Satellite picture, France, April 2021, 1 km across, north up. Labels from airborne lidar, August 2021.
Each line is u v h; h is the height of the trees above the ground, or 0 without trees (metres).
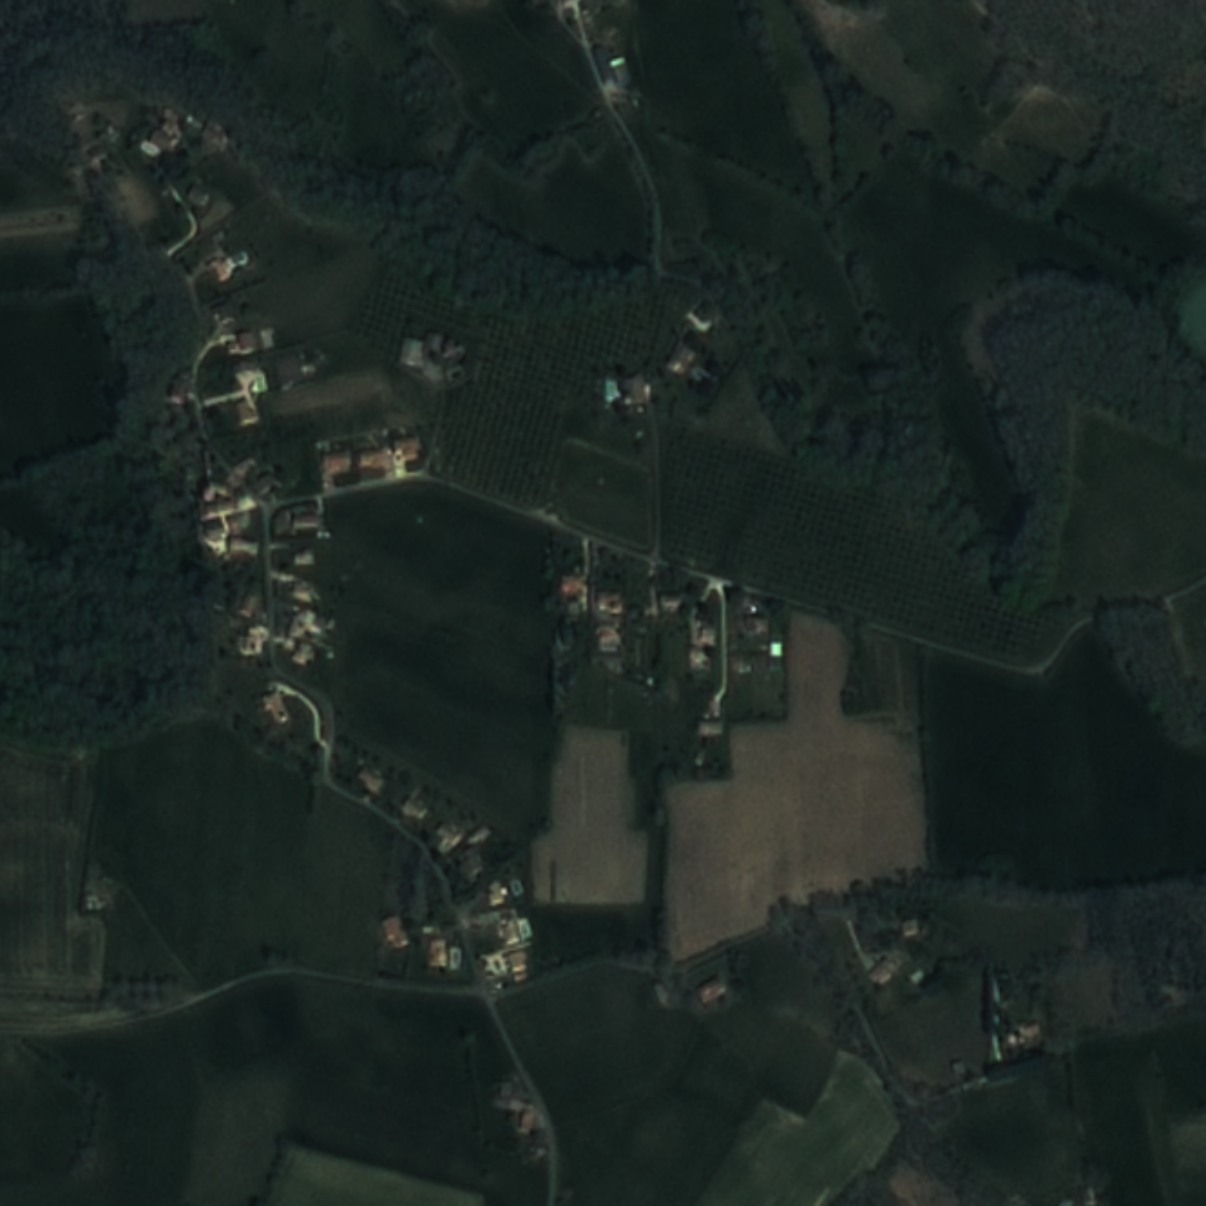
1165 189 7
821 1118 0
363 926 0
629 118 0
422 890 28
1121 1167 0
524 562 0
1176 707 19
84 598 10
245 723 10
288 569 7
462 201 6
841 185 7
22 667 27
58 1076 0
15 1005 0
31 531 0
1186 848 0
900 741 0
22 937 0
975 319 0
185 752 0
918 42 0
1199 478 0
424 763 0
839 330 0
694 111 0
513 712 0
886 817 0
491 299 16
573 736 0
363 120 0
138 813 0
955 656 0
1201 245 0
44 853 0
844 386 0
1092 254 0
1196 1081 0
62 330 0
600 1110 0
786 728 0
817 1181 0
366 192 23
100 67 21
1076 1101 6
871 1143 0
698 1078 0
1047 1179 0
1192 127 9
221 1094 0
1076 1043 16
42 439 0
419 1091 0
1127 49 15
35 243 0
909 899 9
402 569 0
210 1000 0
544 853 0
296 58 0
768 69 15
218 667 15
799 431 26
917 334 0
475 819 9
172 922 0
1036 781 0
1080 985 0
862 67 0
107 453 10
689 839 0
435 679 0
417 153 0
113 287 23
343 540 0
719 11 0
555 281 24
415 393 0
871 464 24
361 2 0
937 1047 0
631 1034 0
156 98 14
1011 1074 13
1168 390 21
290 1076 0
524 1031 0
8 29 6
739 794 0
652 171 0
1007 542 14
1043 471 27
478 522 0
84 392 0
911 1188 0
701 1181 0
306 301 0
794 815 0
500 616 0
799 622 0
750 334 12
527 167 15
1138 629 18
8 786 0
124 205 9
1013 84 18
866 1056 9
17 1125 0
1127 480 0
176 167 11
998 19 14
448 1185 0
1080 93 21
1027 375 21
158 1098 0
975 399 0
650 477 0
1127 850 0
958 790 0
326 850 0
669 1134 0
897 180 0
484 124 0
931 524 12
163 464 15
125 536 17
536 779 0
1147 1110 0
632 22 0
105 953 0
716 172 0
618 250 0
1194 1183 0
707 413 10
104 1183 0
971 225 0
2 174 0
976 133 0
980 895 8
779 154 0
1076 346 18
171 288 25
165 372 21
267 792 0
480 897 0
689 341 9
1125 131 17
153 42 17
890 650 0
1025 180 0
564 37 0
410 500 0
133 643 23
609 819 0
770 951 0
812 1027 0
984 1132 0
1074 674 0
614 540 0
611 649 0
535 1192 0
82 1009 0
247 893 0
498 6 0
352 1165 0
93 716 16
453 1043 0
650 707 0
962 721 0
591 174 0
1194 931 17
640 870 0
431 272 12
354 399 0
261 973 0
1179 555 0
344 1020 0
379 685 0
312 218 13
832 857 0
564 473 0
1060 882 0
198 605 24
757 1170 0
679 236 0
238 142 12
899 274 0
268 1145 0
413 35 9
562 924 0
